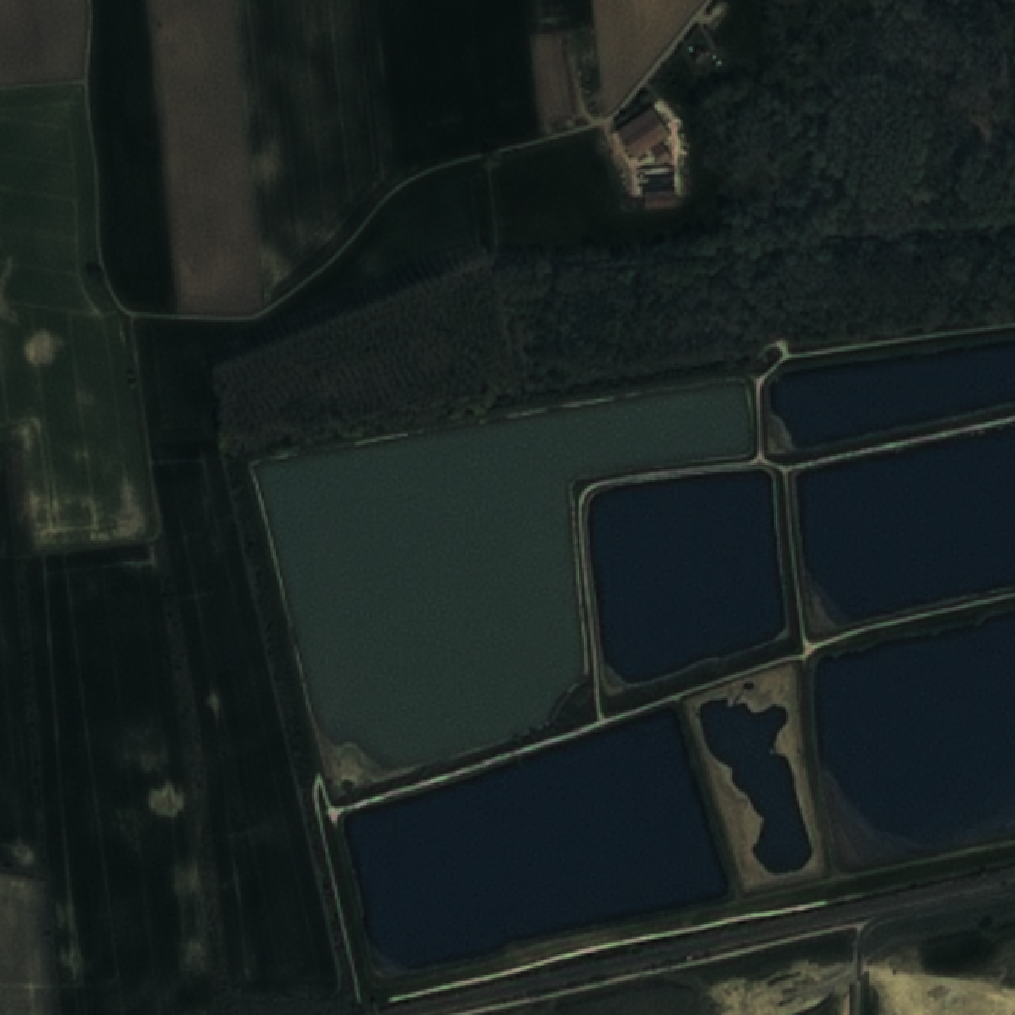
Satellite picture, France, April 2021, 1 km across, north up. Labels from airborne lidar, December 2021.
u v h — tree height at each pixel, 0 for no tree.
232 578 0
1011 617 0
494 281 0
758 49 0
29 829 0
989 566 0
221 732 0
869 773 0
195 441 0
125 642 0
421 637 0
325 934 0
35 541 0
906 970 0
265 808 0
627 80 0
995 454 0
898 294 19
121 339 0
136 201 0
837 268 24
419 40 0
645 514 0
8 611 0
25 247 0
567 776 0
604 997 0
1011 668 0
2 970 0
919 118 26
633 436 0
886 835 0
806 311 15
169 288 0
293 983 0
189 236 0
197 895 0
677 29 0
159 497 0
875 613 0
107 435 0
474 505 0
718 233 14
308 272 0
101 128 0
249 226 0
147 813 0
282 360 0
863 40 20
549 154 0
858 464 0
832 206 24
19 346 0
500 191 0
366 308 0
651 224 0
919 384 0
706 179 0
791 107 23
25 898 0
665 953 0
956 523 0
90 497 0
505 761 0
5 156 0
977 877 0
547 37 0
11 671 0
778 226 17
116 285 0
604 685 0
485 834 0
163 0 0
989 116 13
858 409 0
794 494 0
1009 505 0
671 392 0
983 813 0
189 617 0
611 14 0
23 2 0
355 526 0
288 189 0
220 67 0
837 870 0
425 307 0
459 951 0
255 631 0
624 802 0
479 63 0
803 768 0
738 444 0
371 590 0
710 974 0
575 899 0
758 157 25
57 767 0
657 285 7
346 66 0
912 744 0
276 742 0
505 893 0
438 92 0
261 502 0
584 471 0
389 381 0
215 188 0
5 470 0
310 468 0
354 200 0
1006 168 28
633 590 0
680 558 0
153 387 0
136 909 0
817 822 0
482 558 0
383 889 0
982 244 19
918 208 24
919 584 0
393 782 0
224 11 0
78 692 0
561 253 0
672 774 0
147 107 0
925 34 23
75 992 0
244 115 0
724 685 0
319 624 0
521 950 0
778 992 0
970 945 0
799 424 0
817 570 0
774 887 0
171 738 0
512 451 0
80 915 0
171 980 0
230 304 0
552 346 10
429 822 0
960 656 0
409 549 0
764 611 0
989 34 30
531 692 0
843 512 0
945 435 0
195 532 0
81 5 0
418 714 0
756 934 0
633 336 18
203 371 0
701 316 18
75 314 0
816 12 16
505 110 0
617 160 0
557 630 0
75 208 0
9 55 0
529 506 0
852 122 23
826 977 0
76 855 0
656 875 0
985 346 0
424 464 0
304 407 0
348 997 11
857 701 0
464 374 0
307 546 0
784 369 0
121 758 0
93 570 0
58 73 0
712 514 0
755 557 0
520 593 0
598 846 0
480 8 0
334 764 0
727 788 0
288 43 0
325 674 0
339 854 0
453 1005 0
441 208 0
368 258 0
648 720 0
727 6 0
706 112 21
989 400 0
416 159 0
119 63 0
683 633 0
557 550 0
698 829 0
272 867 0
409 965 0
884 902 0
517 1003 0
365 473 0
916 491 0
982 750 0
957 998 0
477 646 0
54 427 0
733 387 0
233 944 0
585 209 0
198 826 0
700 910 0
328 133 0
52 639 0
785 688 0
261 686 0
